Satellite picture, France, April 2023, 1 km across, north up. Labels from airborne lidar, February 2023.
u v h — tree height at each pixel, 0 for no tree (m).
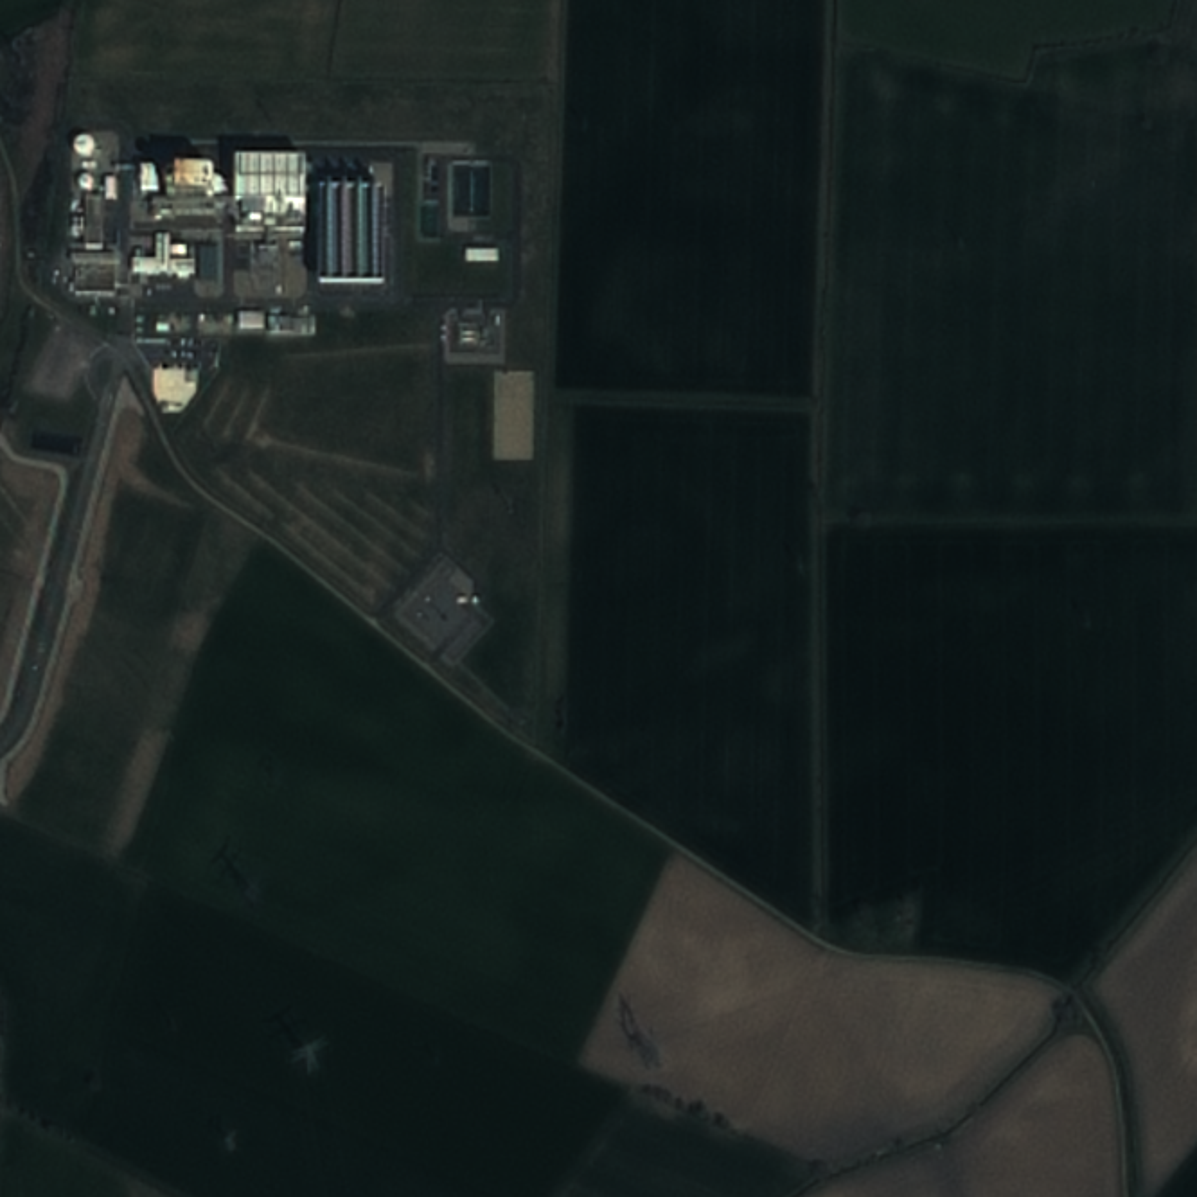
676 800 0
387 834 0
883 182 0
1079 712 0
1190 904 0
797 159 0
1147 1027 0
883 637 0
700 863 0
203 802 0
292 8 0
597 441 0
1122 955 0
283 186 0
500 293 0
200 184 0
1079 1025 11
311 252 0
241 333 0
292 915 0
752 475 0
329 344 0
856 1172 0
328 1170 0
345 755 0
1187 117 0
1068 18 0
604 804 0
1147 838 0
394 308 0
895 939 0
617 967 0
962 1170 0
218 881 0
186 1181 0
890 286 0
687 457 0
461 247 0
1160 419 0
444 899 0
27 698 0
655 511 0
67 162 0
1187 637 0
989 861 0
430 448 0
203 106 0
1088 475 0
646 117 0
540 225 0
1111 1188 0
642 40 0
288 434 0
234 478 0
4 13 0
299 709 0
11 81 0
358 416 0
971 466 0
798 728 0
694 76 0
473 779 0
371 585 0
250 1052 0
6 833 0
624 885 0
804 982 0
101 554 0
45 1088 0
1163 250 0
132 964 0
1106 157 0
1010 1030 0
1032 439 0
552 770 0
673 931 0
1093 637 0
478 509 0
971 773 0
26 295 0
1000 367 0
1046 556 0
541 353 0
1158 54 14
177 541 0
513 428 0
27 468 0
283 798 0
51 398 0
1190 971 0
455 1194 0
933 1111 0
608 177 0
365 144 0
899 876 0
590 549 0
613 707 0
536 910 0
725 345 0
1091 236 0
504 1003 0
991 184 0
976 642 0
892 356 0
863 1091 0
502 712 0
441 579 0
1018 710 0
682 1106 10
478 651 0
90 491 0
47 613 0
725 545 0
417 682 0
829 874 0
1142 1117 0
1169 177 0
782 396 0
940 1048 0
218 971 0
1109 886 0
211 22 0
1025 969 0
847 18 0
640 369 0
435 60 0
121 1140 0
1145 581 0
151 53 0
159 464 0
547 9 0
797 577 0
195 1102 0
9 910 0
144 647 0
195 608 0
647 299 0
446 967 0
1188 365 0
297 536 0
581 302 0
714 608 0
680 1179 0
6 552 0
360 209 0
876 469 0
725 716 0
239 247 0
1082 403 0
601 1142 0
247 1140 0
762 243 0
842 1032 0
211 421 0
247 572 0
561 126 0
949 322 0
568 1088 0
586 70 0
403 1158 0
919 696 0
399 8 0
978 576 0
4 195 0
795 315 0
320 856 0
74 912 0
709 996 0
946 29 0
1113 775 0
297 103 0
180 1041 0
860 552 0
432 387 0
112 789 0
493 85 0
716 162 0
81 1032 0
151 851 0
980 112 0
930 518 0
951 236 0
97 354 0
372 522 0
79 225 0
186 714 0
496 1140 0
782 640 0
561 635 0
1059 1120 0
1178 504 0
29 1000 0
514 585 0
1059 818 0
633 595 0
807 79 0
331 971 0
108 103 0
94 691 0
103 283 0
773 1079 0
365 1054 0
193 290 0
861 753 0
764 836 0
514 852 0
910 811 0
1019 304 0
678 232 0
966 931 0
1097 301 0
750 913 0
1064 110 0
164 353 0
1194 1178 0
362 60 0
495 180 0
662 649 0
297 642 0
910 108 0
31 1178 0
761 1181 0
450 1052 0
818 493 12
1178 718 0
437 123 0
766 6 0
